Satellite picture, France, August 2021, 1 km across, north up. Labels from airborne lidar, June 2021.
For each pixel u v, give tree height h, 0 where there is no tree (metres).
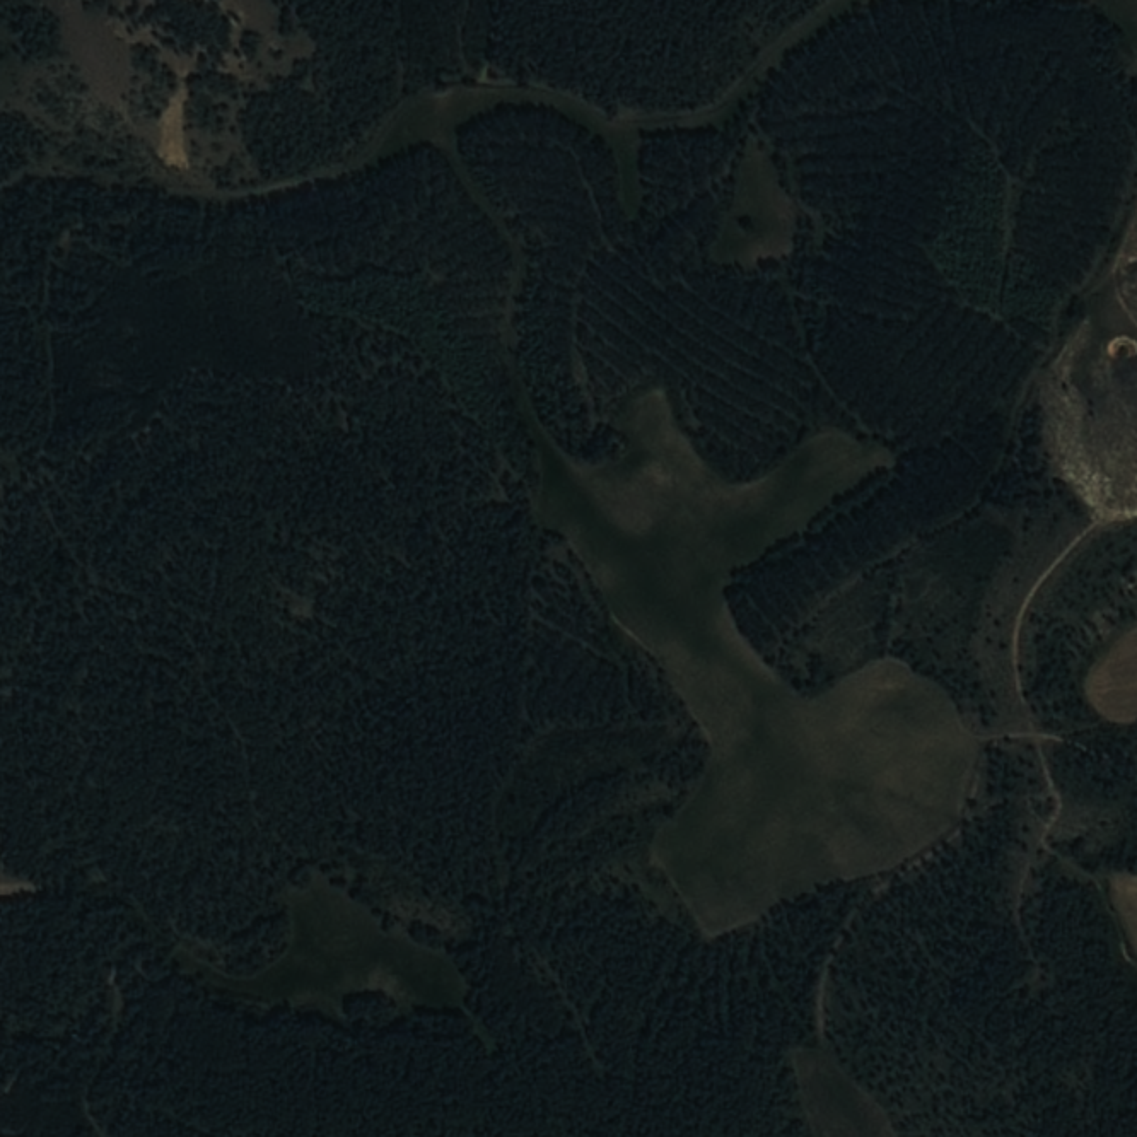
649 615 0
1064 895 11
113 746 13
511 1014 16
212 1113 16
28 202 14
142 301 7
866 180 13
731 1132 7
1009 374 12
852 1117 0
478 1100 18
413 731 20
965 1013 12
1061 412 0
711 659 0
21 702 13
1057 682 15
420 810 16
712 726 0
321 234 12
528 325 8
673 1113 7
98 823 14
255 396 17
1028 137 12
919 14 13
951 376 12
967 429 16
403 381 14
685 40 13
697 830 0
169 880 11
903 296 12
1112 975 11
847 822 0
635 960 12
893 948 13
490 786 16
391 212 11
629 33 16
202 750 14
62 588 12
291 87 12
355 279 12
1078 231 16
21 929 12
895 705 0
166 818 8
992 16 11
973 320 13
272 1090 18
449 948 7
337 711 19
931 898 7
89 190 20
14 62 0
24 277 12
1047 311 13
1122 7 0
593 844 9
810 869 0
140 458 16
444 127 0
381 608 23
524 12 12
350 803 19
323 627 19
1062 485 8
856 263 13
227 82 8
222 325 8
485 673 22
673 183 12
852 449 0
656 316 13
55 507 10
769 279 10
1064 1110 10
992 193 12
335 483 22
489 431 7
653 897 0
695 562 0
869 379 14
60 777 14
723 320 13
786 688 0
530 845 11
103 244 10
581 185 13
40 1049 17
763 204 0
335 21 12
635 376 11
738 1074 11
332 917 0
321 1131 14
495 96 0
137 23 8
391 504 19
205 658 17
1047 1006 8
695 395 13
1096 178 14
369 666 19
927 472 14
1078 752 11
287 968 0
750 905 0
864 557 12
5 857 10
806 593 11
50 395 11
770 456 14
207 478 15
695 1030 15
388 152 0
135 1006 15
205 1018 16
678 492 0
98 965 15
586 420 11
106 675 13
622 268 14
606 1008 12
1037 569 0
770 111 13
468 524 18
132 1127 13
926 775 0
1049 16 13
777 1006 11
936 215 14
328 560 10
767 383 12
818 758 0
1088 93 15
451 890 15
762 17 11
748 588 13
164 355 7
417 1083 16
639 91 13
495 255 14
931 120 13
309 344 7
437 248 10
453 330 11
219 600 15
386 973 0
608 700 14
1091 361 0
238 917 13
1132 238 0
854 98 12
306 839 18
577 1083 14
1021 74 13
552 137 14
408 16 9
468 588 24
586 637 12
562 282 13
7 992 14
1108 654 0
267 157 12
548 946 12
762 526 0
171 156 0
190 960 0
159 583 16
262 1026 19
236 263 5
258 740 14
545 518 0
